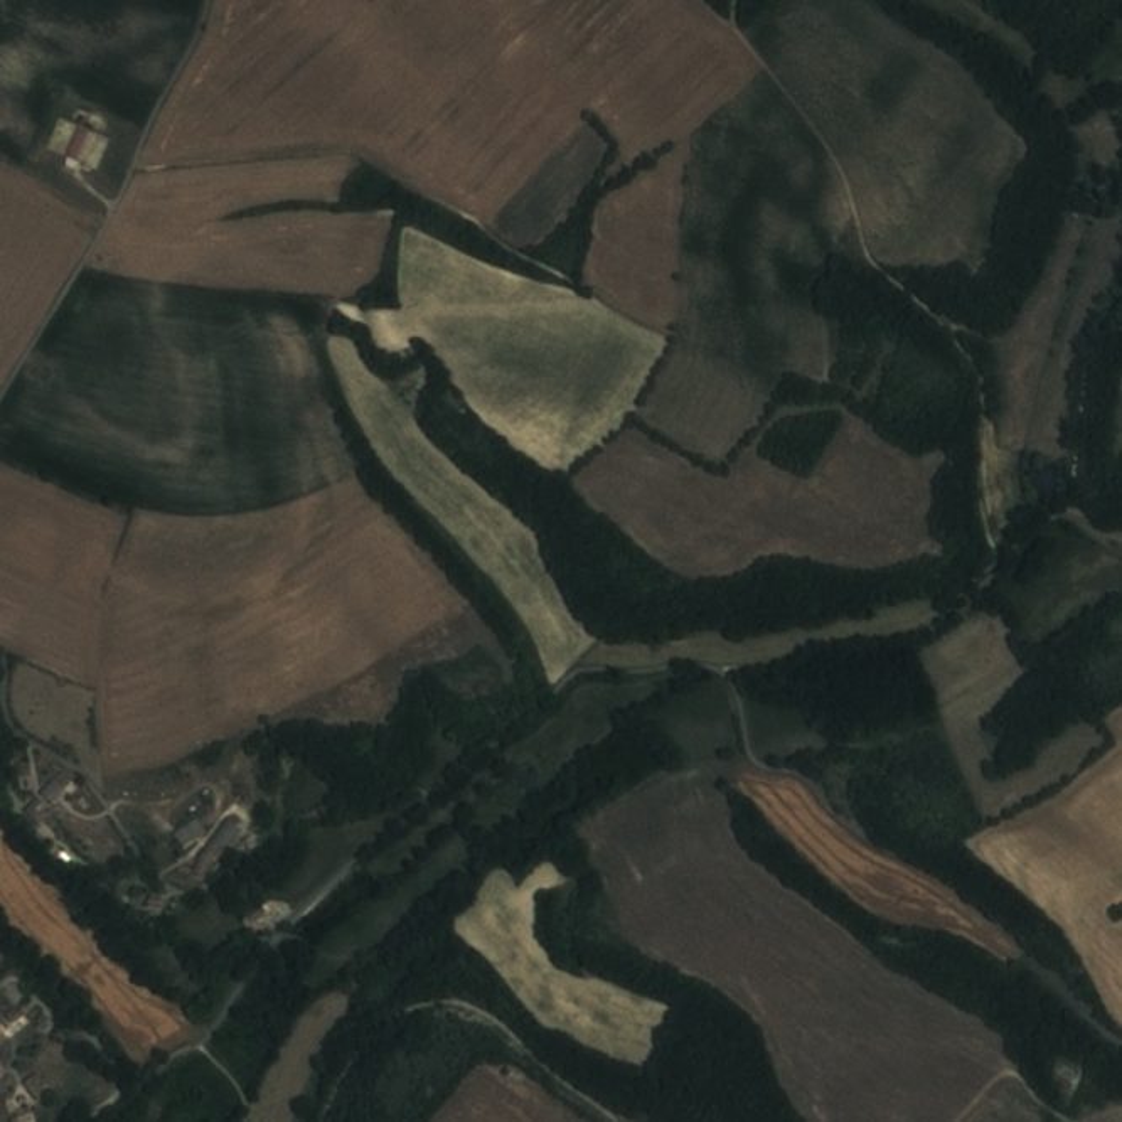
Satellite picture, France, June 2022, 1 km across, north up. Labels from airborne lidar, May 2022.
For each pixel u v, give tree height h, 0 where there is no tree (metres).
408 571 0
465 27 0
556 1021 0
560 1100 7
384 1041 13
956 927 0
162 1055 16
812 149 0
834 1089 0
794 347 0
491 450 6
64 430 0
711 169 0
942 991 11
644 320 0
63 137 0
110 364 0
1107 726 8
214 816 0
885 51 0
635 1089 11
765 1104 19
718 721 0
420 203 6
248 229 0
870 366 8
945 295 13
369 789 12
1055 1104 6
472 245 6
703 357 0
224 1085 0
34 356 0
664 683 0
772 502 0
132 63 0
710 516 0
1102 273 0
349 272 0
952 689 0
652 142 0
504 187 0
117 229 0
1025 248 17
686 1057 22
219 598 0
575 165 0
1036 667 16
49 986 21
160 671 0
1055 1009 16
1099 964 0
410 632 0
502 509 0
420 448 0
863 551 0
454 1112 0
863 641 26
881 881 0
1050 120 16
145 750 0
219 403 0
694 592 13
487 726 11
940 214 0
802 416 7
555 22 0
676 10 0
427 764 22
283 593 0
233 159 0
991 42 18
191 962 18
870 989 0
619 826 0
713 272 0
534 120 0
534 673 7
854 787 11
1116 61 0
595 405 0
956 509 15
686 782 0
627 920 0
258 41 0
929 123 0
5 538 0
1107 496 9
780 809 0
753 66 0
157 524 0
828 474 0
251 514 0
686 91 0
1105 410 7
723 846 0
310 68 0
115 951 24
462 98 0
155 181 0
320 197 0
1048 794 9
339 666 0
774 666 16
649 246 0
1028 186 13
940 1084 0
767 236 0
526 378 0
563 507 13
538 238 0
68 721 0
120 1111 11
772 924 0
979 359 14
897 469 0
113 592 0
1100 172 23
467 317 0
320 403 0
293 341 0
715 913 0
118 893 10
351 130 0
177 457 0
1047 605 0
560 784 15
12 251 0
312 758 17
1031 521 22
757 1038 10
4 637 0
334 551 0
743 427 0
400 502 11
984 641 0
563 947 8
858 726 20
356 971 10
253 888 7
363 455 10
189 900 14
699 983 7
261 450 0
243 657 0
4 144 0
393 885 25
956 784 7
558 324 0
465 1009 0
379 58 0
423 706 14
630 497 0
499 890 0
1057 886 0
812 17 0
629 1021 0
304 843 15
